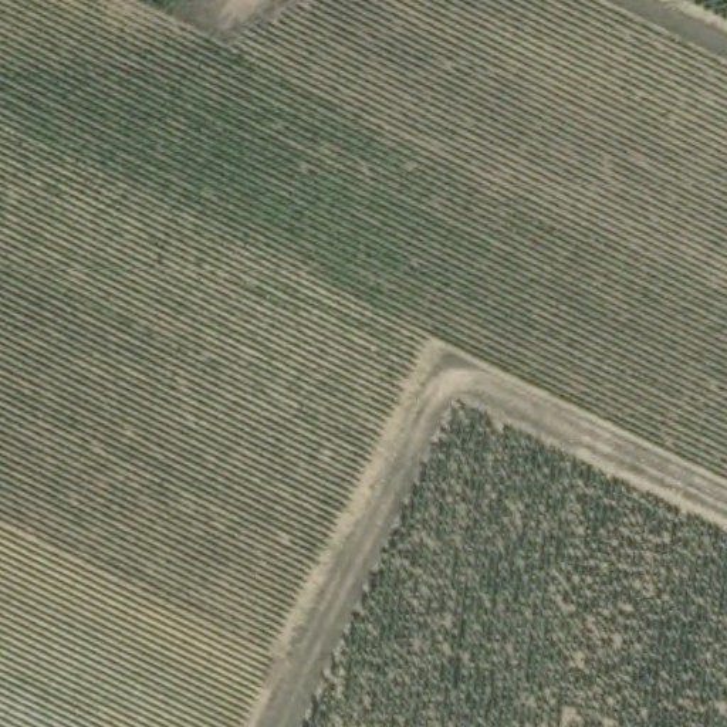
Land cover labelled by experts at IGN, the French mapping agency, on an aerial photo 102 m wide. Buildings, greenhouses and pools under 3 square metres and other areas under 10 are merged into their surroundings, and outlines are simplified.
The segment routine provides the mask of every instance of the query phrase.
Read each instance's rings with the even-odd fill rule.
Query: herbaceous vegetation
[[[304,727],[304,721],[312,713],[312,699],[324,693],[329,682],[335,684],[335,699],[344,699],[344,670],[332,670],[329,665],[344,656],[349,619],[352,613],[364,611],[361,594],[369,591],[369,574],[381,568],[381,545],[389,542],[389,531],[400,525],[398,505],[409,503],[409,488],[420,477],[420,463],[429,460],[432,443],[446,437],[454,403],[466,403],[477,412],[486,412],[497,429],[511,426],[517,432],[525,432],[548,449],[574,454],[576,460],[594,466],[608,477],[650,491],[679,505],[682,511],[704,517],[707,523],[727,531],[727,477],[718,477],[704,466],[682,460],[679,454],[665,452],[656,443],[628,429],[619,429],[574,403],[565,403],[548,395],[545,389],[537,389],[452,344],[429,338],[417,349],[412,372],[400,381],[398,403],[383,420],[381,437],[349,494],[346,508],[338,514],[329,540],[318,551],[315,565],[310,568],[304,585],[295,594],[293,608],[281,622],[278,636],[270,642],[273,670],[267,682],[256,690],[256,699],[250,701],[241,727]]]

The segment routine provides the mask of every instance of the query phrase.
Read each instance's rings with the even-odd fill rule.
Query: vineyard
[[[369,574],[369,591],[361,594],[364,611],[352,613],[349,619],[344,656],[329,665],[332,670],[344,670],[344,699],[335,699],[335,684],[329,682],[324,693],[312,699],[312,713],[304,721],[304,727],[727,727],[727,531],[707,523],[704,517],[682,511],[679,505],[650,491],[608,477],[594,466],[576,460],[574,454],[548,449],[525,432],[517,432],[511,426],[497,429],[486,412],[477,412],[466,403],[454,403],[446,437],[432,443],[429,460],[420,463],[420,477],[409,488],[409,503],[398,505],[400,525],[389,531],[389,542],[381,545],[381,568]]]
[[[727,0],[0,0],[0,727],[241,727],[250,701],[256,699],[256,690],[267,682],[273,670],[270,642],[278,636],[281,622],[293,608],[295,594],[304,585],[310,568],[315,565],[318,551],[329,540],[338,514],[346,508],[349,494],[381,437],[383,420],[398,403],[400,381],[412,372],[417,349],[429,338],[452,344],[537,389],[545,389],[548,395],[565,403],[574,403],[619,429],[628,429],[656,443],[665,452],[679,454],[682,460],[704,466],[718,477],[727,477]]]

